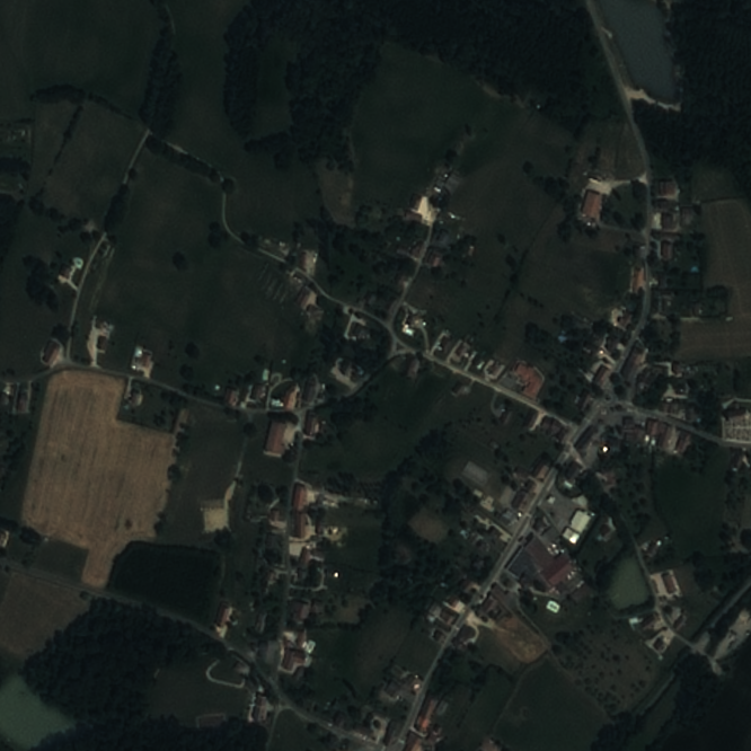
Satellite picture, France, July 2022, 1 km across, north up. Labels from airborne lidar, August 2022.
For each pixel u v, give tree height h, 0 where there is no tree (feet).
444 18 77
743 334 0
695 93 90
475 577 29
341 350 56
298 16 141
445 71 0
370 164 0
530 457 0
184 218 0
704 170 0
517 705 0
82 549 0
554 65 74
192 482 0
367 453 0
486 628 0
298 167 0
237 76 75
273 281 0
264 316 0
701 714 37
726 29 98
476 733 0
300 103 48
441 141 0
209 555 25
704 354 0
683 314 0
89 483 0
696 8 60
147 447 0
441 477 18
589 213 0
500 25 73
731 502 19
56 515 0
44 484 0
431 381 0
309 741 0
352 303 0
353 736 0
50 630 0
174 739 67
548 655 0
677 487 0
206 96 0
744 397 0
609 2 0
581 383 45
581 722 0
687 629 0
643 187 60
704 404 50
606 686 0
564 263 0
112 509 0
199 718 0
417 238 26
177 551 22
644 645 0
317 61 91
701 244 42
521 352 0
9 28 0
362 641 0
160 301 0
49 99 42
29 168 50
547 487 0
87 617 26
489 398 0
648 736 0
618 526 52
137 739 103
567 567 0
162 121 66
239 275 0
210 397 29
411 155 0
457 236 0
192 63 0
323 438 36
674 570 0
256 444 0
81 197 0
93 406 0
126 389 0
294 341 0
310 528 0
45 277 36
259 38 79
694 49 65
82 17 0
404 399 0
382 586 45
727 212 0
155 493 0
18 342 0
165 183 0
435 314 0
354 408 56
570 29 70
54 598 0
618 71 0
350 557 0
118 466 0
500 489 0
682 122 50
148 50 0
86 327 0
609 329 42
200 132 0
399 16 73
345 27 94
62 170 0
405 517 19
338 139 36
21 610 0
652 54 0
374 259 22
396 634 0
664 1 48
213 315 0
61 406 0
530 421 0
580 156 0
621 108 0
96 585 0
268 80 0
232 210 0
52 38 0
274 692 48
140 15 0
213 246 53
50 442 0
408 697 0
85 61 0
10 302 0
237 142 0
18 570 0
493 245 0
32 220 0
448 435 26
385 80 0
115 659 88
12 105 0
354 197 0
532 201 0
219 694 0
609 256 0
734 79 105
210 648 57
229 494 0
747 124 23
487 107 0
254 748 77
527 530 0
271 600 30
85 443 0
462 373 0
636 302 19
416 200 0
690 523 0
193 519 0
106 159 0
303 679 20
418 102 0
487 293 0
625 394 47
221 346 0
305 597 24
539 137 0
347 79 53
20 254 0
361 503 0
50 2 0
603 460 52
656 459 20
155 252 0
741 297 0
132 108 0
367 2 72
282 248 0
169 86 77
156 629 63
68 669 82
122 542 0
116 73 0
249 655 0
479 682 37
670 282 30
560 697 0
